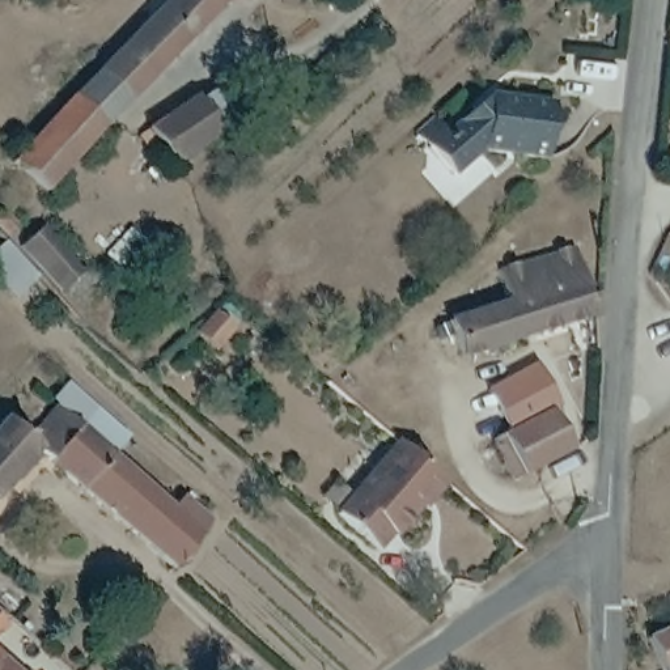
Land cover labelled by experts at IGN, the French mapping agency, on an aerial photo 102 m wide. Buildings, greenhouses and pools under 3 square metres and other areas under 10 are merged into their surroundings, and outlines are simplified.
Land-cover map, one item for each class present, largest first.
<instances>
[{"label":"herbaceous vegetation","instance_id":"1","mask_svg":"<svg viewBox=\"0 0 670 670\"><path fill-rule=\"evenodd\" d=\"M523 29L505 31L497 39L495 52L489 58L479 71H471V79L466 84H455L442 99H437V105L429 113L432 118H445L450 131H463L474 136L463 115H468L484 102V97L497 81H505L503 71H508L500 60L516 42L531 39V44L516 68L557 71L560 65H565L568 55L563 50V39L599 42L605 34L615 31V18L597 13L591 3L578 0H521ZM623 110L594 107L584 118V123H589L591 128L581 131L573 147L555 154L550 152L544 160H529L526 152H516V162L508 175H489L463 202L450 204L437 194V188L424 175L427 152L416 149V136L411 128L400 133L387 147V152H379L374 147V152L364 154L356 162V170L351 175L330 178L319 188L314 204H304L296 194L285 202L291 215L283 217L280 212H275L270 217L275 228L259 243L249 246L243 256L230 267L236 277V291L246 298L259 301L264 314H272L280 293H291V298L306 293L309 306L317 298H325L330 304H345L348 309H356L369 293H379L385 301H390L400 293L398 285L408 275V264L400 256L398 246L408 243L421 228L432 222L434 215H448L450 220H458L463 215V220L471 225V233L476 238H484V230L489 225V209L495 202L503 199L505 181L513 175L534 181V204L513 215V220L495 236V241L487 249H482L463 270L448 277L434 293L414 304L408 314H403L400 325L382 332L359 361L340 366L338 356L330 348L311 356V364L325 374L348 369V374L340 382H330V390L340 400H348L359 411H364L366 421L379 429V416L390 406L403 419V427L395 432L408 442L424 440L429 450L448 448L437 372V361H442V356L434 343L437 338H445V322H453L463 311L508 298L505 285L497 283V267L503 270L513 262L557 254L560 249H565V241H573L589 267L594 264L591 212L599 209V199L591 196L584 186L576 194L563 191L557 175L563 165L568 160H584L586 168L594 173H602V160L591 157L597 144L605 136H612L615 147L620 144ZM181 157L191 162L188 175L168 181L157 168L147 162L144 147L136 141V126H123L118 152L107 165L89 170L81 160L71 170L76 173L79 199L60 215L84 238L86 249L99 259V267L133 270L136 249L154 241L157 233H173L181 225L191 241L194 256L188 277L199 280V275L204 272H217L212 254L204 246V233L194 207L191 181L204 175L207 154L183 149ZM42 188L26 173L8 170L0 178V215L3 204H10L16 209L26 207L34 215V220L26 228H21L18 220L0 217V246L26 243L42 230L47 220L42 215H50V207L39 202ZM652 275L646 277V291L652 301L670 314V225L667 230H662L652 249ZM97 272H81L76 283L65 288L52 272L42 270L29 304L21 296H16L8 285L0 291V424L8 414L21 416L26 411L29 416H39L47 403H58L60 390L71 382L65 364L55 353L29 343L24 332L31 325L29 314L52 301L55 296L63 301L68 314L79 319L84 327H94L102 335L113 330L115 306L113 298L97 285ZM243 330L251 332L249 359L233 356L230 343L215 348L217 364H204L196 369V374L175 369L173 361H160L157 369H152L149 374L136 366L126 369L136 382H144L154 395H160L173 414H181L183 421H188V427L196 429L199 424L162 390L165 385H173L183 398L199 406V411L209 421L225 429L241 448H246L249 453L270 450V471L280 468V463L288 466V476H283L280 484L301 489L306 500L322 508L325 503H330L327 492L338 487V479L343 476L340 471H332V463L356 450L364 440L359 437L356 424L335 421V416L319 403V393H298V387L288 379V372H277L275 366L264 364L259 348L262 330L254 322H243ZM251 369L264 382H270L283 400L277 421H272L259 434H251V429L243 427L246 419L236 414H217L209 403H204V398L215 387L241 382L243 372ZM539 361L547 366L560 390V408L568 416L571 432L581 429L586 351L576 343V335L547 340L531 338L529 343ZM670 427V403L644 421H633L628 416L626 448L631 450L654 432ZM620 584L623 599L628 597L639 605L626 610L628 652L623 660V670H646L644 654L652 652L654 633L662 628L670 631V618L649 620L646 599L670 591V440L665 437L641 455L639 484H623L620 508ZM450 489L458 492L463 503H468L471 508L484 510L489 523L503 537H508L513 547H518V555L508 557L497 568V573L479 581L482 594L492 597L518 573L547 557L560 544H565L581 529L578 523L571 529L565 523V516L557 513L555 497L547 500L542 510H495L461 476ZM440 552L445 560L455 557L466 568L482 563L495 550V539L487 537V531L479 523L461 513L453 503L445 500L440 503ZM94 552L86 544L84 534H79L73 521L65 516L47 542V557L63 555L79 557L84 563ZM0 599L16 610V620L21 623V644H37L39 654L47 652L50 657H58L71 665V649L84 644L86 623L81 607L76 576H60L52 584L47 576L37 573L34 591H24L13 584L10 576L0 573ZM118 662L123 665V670H251V660L233 662L230 644L225 639L202 633L168 599L154 620V628L144 636V641L128 646L120 654Z\"/></svg>","mask_w":670,"mask_h":670},{"label":"agricultural land","instance_id":"2","mask_svg":"<svg viewBox=\"0 0 670 670\"><path fill-rule=\"evenodd\" d=\"M168 0H0V131L5 136L31 133L34 139L68 105V99L79 94L110 63V58ZM474 5V0H382L377 5L382 18L390 21L395 42L382 52H372V73L340 79L345 94L319 123H304L301 118H293L301 141L262 162V183L238 186L230 188L225 196H215L204 186V175L191 181L194 207L204 233L212 228L220 233L225 259L230 267L243 256L249 246L259 243L275 228L270 217L275 212H280L283 217L291 215L285 202L296 194L293 178L311 181L317 173L327 168L325 152L343 149L361 131H366L374 139V147L379 152H387V147L400 133L411 128L429 113L437 105V99H442L455 84H466L471 79V71H479L489 58L479 52L463 55L455 47L463 34L458 18ZM406 76H421L432 89L424 97V102H419L403 118L393 120L385 115V97L387 92H398ZM29 343L55 353L65 364L71 382L79 385L92 400H97L110 416H115L131 432V440H136L133 455H139L165 484L175 487V500L191 495L199 497L202 505H212V529L202 539L199 550L191 557H173L170 573L178 578L194 576L196 584H202L217 602L228 605L259 639H264L296 670H393L408 654L427 646L450 628L453 618L442 612L434 623L424 620L398 594L390 591L379 578H374L353 555L338 547L291 500H277L272 495L262 497V505L275 516L272 521H259L249 516L238 505V484L243 479L246 463L199 424L196 429L202 434V442L191 440L186 429H181L165 411H160L120 374H115L113 366H107L86 343H81L68 327L60 325L37 330L31 325L24 332ZM230 521H238L267 547H272L309 586L317 589V599L335 618H340V623H322L309 607L296 602L280 586L285 576L275 565H270V560H264L256 550H251L238 534H233ZM332 557L351 565L356 581L364 586L361 599H351L338 589L340 571L330 568ZM542 612H552L563 623V636L552 646H539L531 641V626L539 620ZM594 639L586 633L581 594L568 591L565 586H555L539 591L521 607L505 612L492 626L471 636L466 644L455 649V657L445 662L442 670H594Z\"/></svg>","mask_w":670,"mask_h":670},{"label":"building","instance_id":"3","mask_svg":"<svg viewBox=\"0 0 670 670\"><path fill-rule=\"evenodd\" d=\"M230 0H168L110 58V63L79 94L68 99V105L34 139L31 149L18 154L8 170L26 173L42 188H55L71 170L92 149V144L107 131V126L118 123L120 113L133 107L139 94L162 73V68L170 65L191 39H196L217 18L220 10L228 8ZM474 136L463 131H450L445 118H432L429 113L411 128L416 136L432 139L440 149H445L453 157L458 168H468L479 154L497 165L505 160L508 149L516 152H526L529 160H544L550 152L552 147H560V128L568 120V113L563 110L560 99L552 89L539 86L537 81H497L484 97V102L468 115H463ZM225 118V94L215 92L191 97L178 110L160 118L154 128L136 133V141L144 147L152 139H160L181 157L183 149L207 154L212 141L222 136ZM42 270L52 272L65 288L76 283L81 272L71 264L68 256H63L52 238L42 230L26 243L0 246V291L8 285L16 296H21L29 304ZM497 283L505 285L508 298L463 311L453 322H445V338L448 345H455L458 356H468L476 351L505 353L510 345L529 343L531 338L534 332L560 327L565 322L597 317L607 319L610 293L605 288L599 293L594 291L589 267L573 241H565V249H560L557 254L513 262L503 270L497 267ZM243 330V322L236 306L228 304L225 311H220L202 330V338L215 348L230 343L236 332ZM495 395L500 398L495 416L508 419V432L489 434V450L495 453V458L489 461L487 471L513 489H537L544 482V471L550 468L552 455H560L571 448H584L586 440L581 429L571 432L568 416L560 408V390L547 366L539 361L513 374L510 379L495 385ZM47 450H52L58 479H63L65 474H76L84 484H89L102 500L115 505L120 516L136 523L160 550H165L173 557H191L199 550L202 539L212 529V505H202L199 497L191 495L175 500V487L165 484L139 455H133L136 440H131V432L115 416H110L97 400H92L79 385L71 382L60 390L58 403H47L39 416H29L26 411L21 416L8 414L0 424V487L24 479L31 471V466L42 461ZM395 442L393 453L374 468V474L361 487L353 489L351 479L343 476L338 479V487L327 492L330 503L335 510H348L364 518L379 537V542L403 539L408 529L419 526L421 510H429L440 503L445 500V489H450L461 476L448 448L429 450L424 440L408 442L395 432L390 437ZM16 610L0 599V639L16 620ZM646 670H670V631L662 628L654 633L652 652L644 654ZM0 670H37L24 665L0 641Z\"/></svg>","mask_w":670,"mask_h":670},{"label":"deciduous trees","instance_id":"4","mask_svg":"<svg viewBox=\"0 0 670 670\"><path fill-rule=\"evenodd\" d=\"M521 0H474V5L458 18L463 34L455 47L463 55L479 52L489 58L495 52L497 39L505 31L523 29ZM591 3L597 13L615 18L620 13L631 16L633 0H578ZM395 42L390 21L382 18L372 29L361 31L353 42H345L327 60L317 63V68H306L309 58L288 55V47L275 52H256L241 60L238 68L222 71L215 84V92L225 94V118L222 136L212 141L207 154L204 175V186L215 196H225L230 188L238 186L262 183V162L301 141L293 118H301L304 123H319L345 94L340 79L372 73V52H382ZM531 44V39L516 42L500 60L508 71L516 68ZM432 89L421 76H406L398 92H387L385 97V115L393 120L403 118L419 102H424V97ZM123 126L118 123L107 126V131L92 144V149L81 160L89 170L107 165L118 152ZM34 139L31 133L5 136L0 131V178L8 170L18 154L31 149ZM374 152V139L366 131H361L343 149L325 152L327 168L317 173L311 181L293 178L296 194L304 204H314L319 188L330 178L351 175L356 170V162L364 154ZM147 162L157 168L168 181L188 175L191 162L181 157L160 139H152L144 147ZM563 191L576 194L584 186H594V173L586 168L584 160H568L563 165L557 175ZM79 199L76 173L71 170L55 188H42L39 202L50 207V215H60ZM534 181L513 175L505 181L503 199L495 202L489 209V225L484 230V238H476L471 233V225L463 220V215L458 220H450L448 215H434L432 222L421 228L408 243L398 246L400 256L408 264V275L398 285L400 293L390 301H385L379 293H369L356 309H348L345 304H330L325 298H317L309 306L306 293L291 298V293H280L272 314H264L259 301L246 298L236 291L230 293L228 304L236 306L243 322H254L262 330L259 348L264 364L275 366L277 372H288V379L298 387V393H319V403L335 416V421L356 424L359 437L364 440L377 437L379 429L366 421L364 411H359L348 400H340L330 390V382H340L348 374V369L325 374L311 364V356L330 348L338 356L340 366L359 361L382 332L400 325L403 314H408L414 304L434 293L448 277L463 270L482 249H487L495 241V236L513 220V215L534 204ZM194 256L191 241L181 225L173 233H157L154 241L136 249L133 270L99 267L97 272V285L113 298L115 306L113 330L118 332V338L133 345L149 340L154 348H160L175 330H183L204 311L196 304L199 280L188 277ZM68 314L63 301L55 296L52 301L29 314L31 325L37 330L60 325ZM251 332L243 330L236 332L230 343L233 356L249 359ZM204 364H217L215 348L202 338L194 340L188 348L175 351L173 361L175 369L196 374V369ZM204 403H209L217 414H236L246 419L243 427L251 429V434H259L272 421H277L283 400L270 382H264L251 369L243 372L241 382L215 387L204 398ZM65 516L60 513L55 500L39 497L37 505L24 508L18 521L10 529H5V534L21 550L37 557H47V542ZM0 573L10 576L13 584L24 591H34L37 573L31 568H24L0 547ZM424 620L434 623L442 612L450 589L442 586V581L434 576V568L424 578H406L403 584V591L398 594ZM168 599L165 589L144 573L141 578L110 581L99 591V597H92V602L81 607L86 623L84 644L71 649V665L73 670H123V665L118 662L120 654L128 646L144 641V636L154 628V620ZM649 620L670 618V591L646 599ZM563 636V623L552 612H542L539 620L531 626V641L539 646H552Z\"/></svg>","mask_w":670,"mask_h":670},{"label":"impervious surface","instance_id":"5","mask_svg":"<svg viewBox=\"0 0 670 670\"><path fill-rule=\"evenodd\" d=\"M670 5V0H633L631 16L628 50L623 60L581 63L576 60V55H568L565 65H560L557 71L516 68L508 71H503L505 81H537L539 86L552 89L560 99L563 110L568 113V120L560 128V147H552L550 152L555 154L573 147L581 131L591 128L589 123H584V118L594 107L623 110L620 144L615 147L612 194L602 256L605 288L610 293L607 319L597 317L565 322L560 327L534 332L531 338L547 340L576 335V343L586 351L589 345H597L602 353L599 427L594 440L599 442L594 487L581 495L586 497V513L578 523L581 529L565 544H560L547 557L518 573L492 597L482 594L479 581L453 578L445 560L440 552V503L429 510V539L424 544H408L403 539L379 542V537L364 518L348 510H335L330 503H325L322 508V516L345 539H351L361 552H366L387 576L403 584L406 578H424L434 568V576L442 581V586L450 589L442 612L453 618L450 628L427 646L408 654L393 670H442L445 662L455 657V649L466 644L471 636L492 626L505 612L521 607L539 591L555 586H565L568 591L581 594L586 633L594 639V670H623V660L628 652L626 610L639 605L628 597L623 599L620 584V508L623 484H631V450L626 448L628 416L633 393V340L639 309L636 259L641 243L646 183H652L654 178L646 162V152L654 139ZM416 149L427 152L424 175L437 188V194L450 204L463 202L489 175H508L516 162V152L508 149L505 160L497 165L479 154L468 168H458L453 157L445 149H440L432 139L416 136ZM379 429L377 437L364 440L356 450L332 463V471H340L343 476L351 479L353 489L361 487L374 474V468L393 453L395 442L390 437L395 432L403 427V419L390 406L379 416Z\"/></svg>","mask_w":670,"mask_h":670},{"label":"pervious surface","instance_id":"6","mask_svg":"<svg viewBox=\"0 0 670 670\"><path fill-rule=\"evenodd\" d=\"M382 0H230L228 8L220 10L217 18L196 39H191L170 65L162 68V73L139 94L133 107L120 113L118 123L123 126H136V133L154 128L160 118L178 110L191 97L215 92V84L222 71L238 68L241 60L256 52H275L288 47V55L309 58L306 68H317V63L327 60L345 42H353L361 31L372 29L382 18L377 5ZM670 225V186L654 178L652 183H646L641 243L636 259L639 309L633 340V393L628 416L633 421H644L670 403V314L652 301L646 291V277L652 275V249L662 230H667ZM434 343L442 356V361H437V372L448 448L461 476L495 510H542L547 500L555 497L557 513L565 516L571 510L573 497L581 495L594 487L599 442L594 440H586L584 448H571L560 455H552L550 468L544 471V482L537 489H513L487 471L489 461L495 458V453L489 450V434L508 432V419L495 416L500 398L495 395V385L510 379L513 374L539 361L529 343L510 345L505 353L476 351L468 356H458L455 345H448L445 338H437ZM39 497L55 500L60 513L65 516L73 521L79 534H84L86 544L94 552L84 563L79 557L63 555L47 557H37L21 550L5 534V529H10L18 521L24 508L37 505ZM0 547L24 568H31L37 573L47 576L52 584L60 576H76L81 607L92 602V597H99V591L110 581L141 578L144 573L165 589L168 599L202 633L225 639L230 644L233 662L251 660V670H275L251 646H246L228 626H222L212 612H207L188 591H183L178 578L170 573L173 557L165 550H160L136 523L120 516L115 505L102 500L89 484H84L76 474H65L63 479H58L52 450H47L42 461L31 466V471L24 479L0 487ZM21 623L16 620L0 639V641L24 665L37 670H73L71 665L58 657H50L47 652L39 654L37 644H21Z\"/></svg>","mask_w":670,"mask_h":670},{"label":"brushwood","instance_id":"7","mask_svg":"<svg viewBox=\"0 0 670 670\"><path fill-rule=\"evenodd\" d=\"M646 162L654 178L670 186V5L654 139L646 152ZM631 16L620 13L615 18V31L605 34L599 42L563 39V50L568 55H576V60L581 63L623 60L628 50ZM615 147L612 136H605L597 144L591 157L602 160V173H594V186H584L591 196L599 199V209L591 212L594 264L589 267L594 291L599 293L605 288L602 256L612 194ZM0 217L18 220L21 228H26L34 220V215L26 207L16 209L10 204H3L0 215ZM47 220L42 230L52 238L63 256H68L71 264L81 272H97L99 267V259L86 249L84 238L60 215H42ZM204 246L212 254L217 272H204L199 275V280L196 304L204 311L183 330H175L160 348H154L149 340L133 345L118 338V332L113 330L102 335L94 327H84L79 319L68 314L60 325L68 327L81 343H86L107 366H113L115 374H120L160 411H165L181 429H186L191 440L202 442V434L196 429L188 427V421H183L181 414H173L160 395H154L144 382H136L126 369L136 366L149 374L152 369H157L160 361H173L175 351L188 348L194 340L202 338V330L220 311H225L228 304L230 293L236 291V277L230 267L225 259L220 233L212 228L204 233ZM602 353L597 345H589L586 351L581 429L586 440H594L599 427ZM162 390L199 424L246 463L243 479L238 484V505L249 516L259 521H272L275 516L262 505V497L272 495L277 500H291L338 547L353 555L374 578H379L390 591L398 594L403 591V584L387 576L366 552H361L351 539H345L322 516V508L306 500L301 489L280 484L283 476H288V466L280 463V468L270 471V450L249 453L246 448H241L225 429L209 421L199 411V406L183 398L173 385H165ZM665 437L670 440V427L654 432L631 450V484H639L641 455ZM445 500L453 503L461 513L479 523L487 531V537L495 539V550L482 563L466 568L455 557L445 560L453 578L479 581L497 573V568L508 557L518 555V547H513L508 537H503L489 523L484 510L471 508L468 503H463L458 492L450 489H445ZM586 513V497L581 495L573 497L571 510L565 516V523L571 529L578 523ZM429 510H421L419 526L408 529L403 539L408 544H424L429 539ZM233 534H238L251 550H256L264 560H270V565H275L285 576L280 586L296 602L309 607L322 623H340V618H335L317 599V589L309 586L272 547H267L238 521H230ZM330 568L340 571L338 589L351 599H361L364 586L356 581L351 565L332 557ZM183 591H188L207 612H212L222 626H228L246 646H251L275 670H296L264 639H259L228 605L217 602L202 584H196L194 576L178 578Z\"/></svg>","mask_w":670,"mask_h":670}]
</instances>
